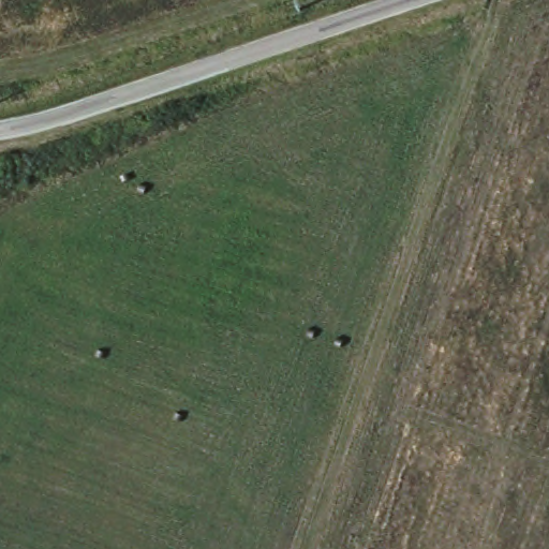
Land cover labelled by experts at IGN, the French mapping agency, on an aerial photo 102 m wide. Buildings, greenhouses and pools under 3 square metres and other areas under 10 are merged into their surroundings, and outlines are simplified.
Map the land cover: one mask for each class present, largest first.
<instances>
[{"label":"agricultural land","instance_id":"1","mask_svg":"<svg viewBox=\"0 0 549 549\"><path fill-rule=\"evenodd\" d=\"M197 0H0V39L24 32L60 30V36L69 41L75 32L101 34L103 30L127 26L129 21L150 15L152 11H169L182 6L193 9ZM326 58L296 64L300 75L298 79L290 81L285 77L268 73L264 77H257L259 88L251 94L219 107H210L208 112L195 114L193 124H178L161 133H154L152 137H148L146 146L133 144L120 148L103 161L81 167V172L75 176L58 174L34 187L19 184V191H13L9 197H0V549H549V0H442L324 41Z\"/></svg>","mask_w":549,"mask_h":549},{"label":"herbaceous vegetation","instance_id":"2","mask_svg":"<svg viewBox=\"0 0 549 549\"><path fill-rule=\"evenodd\" d=\"M373 0H197L193 9L182 6L169 11H152L150 15L129 21L127 26L103 30L101 34L75 32L69 41L60 36V30L24 32L0 39V84H11L30 77H36L43 84L13 101H4L0 97V120L43 112L97 92H105L109 88H118L122 84L174 66H182L221 54L225 49L251 43L255 39L277 34L281 30L339 11H347L352 6L367 4ZM326 58L324 41L285 54H277L244 64L240 69L221 73L217 77L105 114L107 118H124L135 107L146 109L150 105L163 103L172 120L178 124H193L195 114L208 112L210 107H219L251 94L259 88L257 77H264L268 73L285 77L290 81L298 79L300 75L296 64ZM64 131L62 129L43 131L36 135L15 139H0V152L11 148H36L60 137Z\"/></svg>","mask_w":549,"mask_h":549},{"label":"impervious surface","instance_id":"3","mask_svg":"<svg viewBox=\"0 0 549 549\"><path fill-rule=\"evenodd\" d=\"M442 0H373L367 4L352 6L347 11H339L281 30L277 34L255 39L251 43L225 49L221 54L182 66H174L122 84L118 88H109L105 92H97L43 112L0 120V139H15L36 135L43 131L62 129L105 114L217 77L221 73L240 69L244 64L277 54H285L324 41Z\"/></svg>","mask_w":549,"mask_h":549},{"label":"brushwood","instance_id":"4","mask_svg":"<svg viewBox=\"0 0 549 549\"><path fill-rule=\"evenodd\" d=\"M43 84L36 77H30L11 84H0V97L4 101H13ZM178 124L172 120L163 103L150 105L146 109L135 107L124 118H107L105 114L62 129L64 131L60 137L36 148H11L0 152V197H9L13 191H19V184L34 187L58 174L75 176L81 172V167L103 161L120 148L133 144L146 146L148 137H152L154 133H161Z\"/></svg>","mask_w":549,"mask_h":549}]
</instances>
